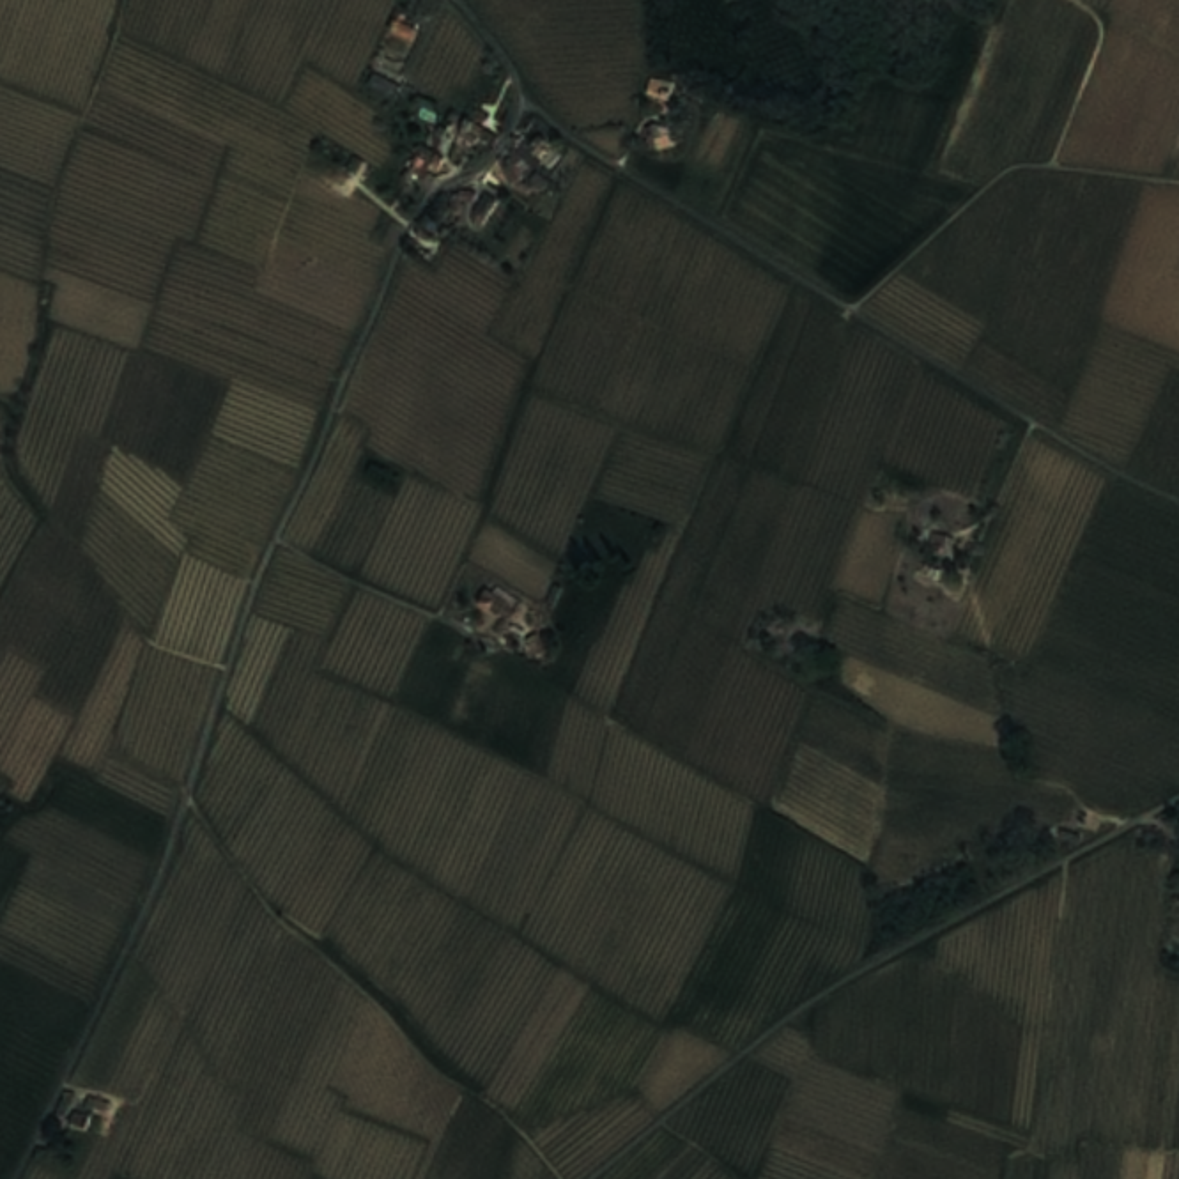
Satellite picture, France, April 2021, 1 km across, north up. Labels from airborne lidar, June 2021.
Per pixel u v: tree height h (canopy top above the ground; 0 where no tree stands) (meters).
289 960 0
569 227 0
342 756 0
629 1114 0
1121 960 0
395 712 0
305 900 0
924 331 0
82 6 0
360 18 0
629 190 0
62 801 0
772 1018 0
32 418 0
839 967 0
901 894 13
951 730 0
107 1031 0
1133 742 0
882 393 0
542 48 0
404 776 0
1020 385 0
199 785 0
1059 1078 0
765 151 0
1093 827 0
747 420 0
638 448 0
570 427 0
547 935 0
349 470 0
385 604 0
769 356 0
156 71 0
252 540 0
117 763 0
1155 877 0
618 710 0
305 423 0
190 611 0
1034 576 0
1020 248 0
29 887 0
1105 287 0
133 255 0
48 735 0
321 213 0
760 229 0
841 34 17
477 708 0
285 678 0
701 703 0
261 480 0
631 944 0
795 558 0
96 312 0
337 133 0
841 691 0
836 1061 0
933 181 0
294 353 0
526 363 0
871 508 0
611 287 0
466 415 0
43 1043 0
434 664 0
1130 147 0
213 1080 0
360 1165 0
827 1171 0
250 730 0
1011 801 0
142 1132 0
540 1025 0
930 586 0
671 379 0
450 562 0
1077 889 0
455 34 0
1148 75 0
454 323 0
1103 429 0
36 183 0
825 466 0
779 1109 0
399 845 0
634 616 0
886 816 0
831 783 0
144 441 0
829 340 0
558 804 0
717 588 0
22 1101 0
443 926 0
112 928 0
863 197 0
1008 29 0
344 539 0
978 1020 0
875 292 0
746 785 0
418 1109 0
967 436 0
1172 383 0
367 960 0
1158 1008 0
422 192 6
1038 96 0
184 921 0
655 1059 0
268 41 0
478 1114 0
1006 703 0
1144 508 0
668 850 0
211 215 0
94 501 0
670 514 0
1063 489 0
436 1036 0
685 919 0
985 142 0
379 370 0
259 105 0
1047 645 0
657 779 0
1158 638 0
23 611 0
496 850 0
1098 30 0
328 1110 0
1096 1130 0
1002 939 0
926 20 16
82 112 0
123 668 0
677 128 11
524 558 0
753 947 0
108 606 0
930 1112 0
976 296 0
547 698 0
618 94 0
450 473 0
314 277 0
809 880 0
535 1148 0
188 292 0
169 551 0
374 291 0
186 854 0
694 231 0
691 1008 0
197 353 0
